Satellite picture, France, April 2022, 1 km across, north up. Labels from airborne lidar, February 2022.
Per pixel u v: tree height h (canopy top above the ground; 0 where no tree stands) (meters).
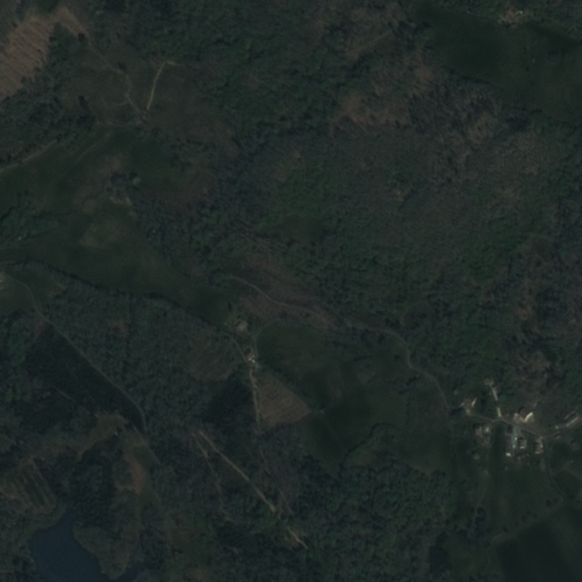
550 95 0
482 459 0
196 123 0
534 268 23
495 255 25
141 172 0
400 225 24
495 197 16
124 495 14
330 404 0
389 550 14
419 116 21
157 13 17
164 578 20
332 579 9
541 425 0
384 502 24
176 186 0
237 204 19
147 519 15
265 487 23
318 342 0
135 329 9
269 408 0
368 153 19
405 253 25
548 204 15
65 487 21
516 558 0
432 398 0
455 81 20
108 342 11
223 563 13
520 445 7
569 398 17
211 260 26
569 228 20
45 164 0
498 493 0
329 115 24
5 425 16
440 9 6
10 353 21
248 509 21
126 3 19
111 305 11
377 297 26
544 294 9
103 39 20
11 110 21
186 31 31
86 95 0
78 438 24
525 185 21
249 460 7
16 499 0
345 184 22
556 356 20
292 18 25
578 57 0
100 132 0
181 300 0
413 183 22
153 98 0
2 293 0
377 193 20
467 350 20
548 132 25
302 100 21
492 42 0
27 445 20
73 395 10
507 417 0
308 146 22
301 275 15
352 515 26
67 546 0
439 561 17
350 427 0
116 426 0
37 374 8
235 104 16
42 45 0
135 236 0
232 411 13
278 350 0
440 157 19
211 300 0
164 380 25
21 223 17
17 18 14
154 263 0
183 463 10
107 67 0
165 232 25
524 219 18
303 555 21
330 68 18
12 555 23
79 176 0
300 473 26
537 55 0
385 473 12
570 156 8
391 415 0
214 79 26
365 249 27
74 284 21
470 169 22
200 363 0
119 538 15
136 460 0
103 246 0
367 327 0
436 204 18
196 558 0
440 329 23
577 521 0
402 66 18
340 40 16
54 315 16
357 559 32
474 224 23
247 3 23
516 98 0
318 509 24
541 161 22
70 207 0
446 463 0
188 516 11
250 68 27
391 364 0
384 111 21
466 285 27
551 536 0
